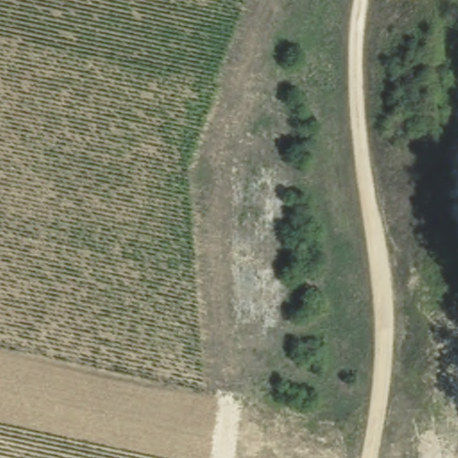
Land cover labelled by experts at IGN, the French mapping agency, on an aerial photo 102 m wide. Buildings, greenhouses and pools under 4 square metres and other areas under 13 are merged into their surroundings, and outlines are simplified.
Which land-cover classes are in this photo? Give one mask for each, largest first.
<instances>
[{"label":"herbaceous vegetation","instance_id":"1","mask_svg":"<svg viewBox=\"0 0 458 458\"><path fill-rule=\"evenodd\" d=\"M240 9V18L236 21L233 36L229 39L222 64L216 73L218 89L211 102V109L204 118V125L200 129L188 165L193 220L191 236L195 250L193 268L197 281V320L202 361V370H195V377L200 379V394H216L218 399L231 392L234 401L242 404L238 420L236 458H361L369 422L374 376V297L349 111V23L352 0H243L236 5ZM284 39L297 43L301 54H304L299 63L288 68H281L274 59V48ZM293 86L310 98L306 107H310V113L315 116L317 123H324L317 161L310 174H302V170H295L286 163L290 159V150L306 141V136L288 134L290 125L283 102L290 95V91H293ZM288 193H295L297 197H302L304 193L311 200H317L327 229L326 250H322V254L327 258L326 274L317 283H302L290 293L286 292V288L279 281V277L284 276V272L297 263L292 250L279 249V243L284 242V231L292 227L295 216V209L292 206L281 208V200ZM310 293L327 297L331 304V313L327 317L318 318L317 322L310 326L301 327L292 322V318L302 310L304 301ZM301 392L317 395V399L324 401V406L315 413L288 408V404L297 399ZM445 14L454 18L453 25L445 30V55L447 59H451V72L454 75L453 86L447 91L451 116L447 123L442 125L440 138L433 140L431 134L420 136L415 129L403 132L401 122L404 118L397 111L386 118L383 131H374L372 127L367 129L377 209L385 231L388 263L394 288L392 377L386 403L385 426L377 458H420V435L426 431H433L437 437L449 435L451 440L458 444V411L453 399L447 397L453 392V385L449 381L447 367L453 365L454 356H458V0H369L363 32V95L367 123L381 111V91L385 73L379 64V54H388L399 47L404 34L411 36L419 29L420 21H428L431 25L440 16L444 18Z\"/></svg>","mask_w":458,"mask_h":458},{"label":"vineyard","instance_id":"2","mask_svg":"<svg viewBox=\"0 0 458 458\"><path fill-rule=\"evenodd\" d=\"M243 0H0V349L39 354L45 356L43 365H52L68 372H81L98 379L159 390L186 388L193 394H200V379L195 377V370H202V361L197 320V281L193 268L195 250L191 236L193 220L188 165L200 129L204 125V118L211 109V102L218 89L216 73L222 64L229 39L233 36L236 21L240 18V9L236 5ZM0 458H168L159 454L134 451L127 447L93 442L86 438L57 435L50 431L0 420Z\"/></svg>","mask_w":458,"mask_h":458},{"label":"plowed land","instance_id":"3","mask_svg":"<svg viewBox=\"0 0 458 458\"><path fill-rule=\"evenodd\" d=\"M45 356L39 354L0 349V420L50 431L57 435L86 438L93 442L127 447L134 451L159 454L168 458H211L218 399L216 394H193L186 388L159 390L98 379L81 372H68L52 365H43Z\"/></svg>","mask_w":458,"mask_h":458},{"label":"brushwood","instance_id":"4","mask_svg":"<svg viewBox=\"0 0 458 458\"><path fill-rule=\"evenodd\" d=\"M454 18L445 14L444 18L440 16L431 25L428 21H420L419 29L411 36L404 34L399 47L388 54H379V64L385 73L381 91V111L367 123V129L372 127L374 131H383L386 118L397 111L404 118L401 122L403 132L415 129L420 136L431 134L433 140L440 138L442 125L447 123L451 116L447 91L453 86L454 75L451 72V59H447L445 55V30L453 25ZM304 54H301L297 43L284 39L274 48V59L281 68H288L299 63ZM310 98L293 86V91H290V95L283 102L290 125L288 134L306 136V141L290 150V159L286 163L295 170H302V174H310L317 161L324 123H317L315 116L310 113V107H306ZM292 206L295 209V216L292 227L284 231V242L279 243V249L292 250L297 263L284 272V276L279 277V281L286 288V292L290 293L302 283H317L326 274L327 258L322 254V250H326L327 229L317 200H311L304 193L302 197H297L295 193H288L281 200V208ZM331 313V304L327 297L310 293L304 301L302 310L292 318V322L301 327L310 326L317 322L318 318L327 317ZM324 406V401L317 399V395L301 392L297 399L288 404V408L315 413Z\"/></svg>","mask_w":458,"mask_h":458},{"label":"pervious surface","instance_id":"5","mask_svg":"<svg viewBox=\"0 0 458 458\"><path fill-rule=\"evenodd\" d=\"M369 0H352L349 23V111L374 297V376L369 422L361 458H377L385 426L386 403L392 377L394 288L388 263L385 231L377 209L367 129V123L363 95V32ZM449 381L453 385V392L447 397L453 399L458 411V356H454L453 365L447 367ZM242 404L234 401L231 392L218 399L211 458H236L238 420ZM420 458H458V444L451 440L449 435L437 437L433 431H426L420 435Z\"/></svg>","mask_w":458,"mask_h":458}]
</instances>
